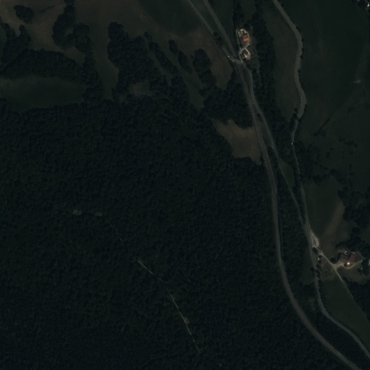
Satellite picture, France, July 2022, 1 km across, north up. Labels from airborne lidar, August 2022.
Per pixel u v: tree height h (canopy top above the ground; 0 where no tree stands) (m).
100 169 18
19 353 17
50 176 19
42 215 20
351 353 19
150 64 22
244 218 18
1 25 11
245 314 20
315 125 0
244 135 0
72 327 16
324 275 0
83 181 22
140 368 14
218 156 21
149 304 26
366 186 0
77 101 0
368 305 18
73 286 23
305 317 0
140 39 21
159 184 23
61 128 23
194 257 23
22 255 22
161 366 21
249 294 23
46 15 0
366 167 0
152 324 19
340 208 0
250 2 0
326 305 17
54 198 21
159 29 0
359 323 0
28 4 0
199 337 23
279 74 0
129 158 23
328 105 0
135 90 0
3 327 18
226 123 14
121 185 28
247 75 0
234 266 20
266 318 21
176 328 21
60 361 20
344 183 6
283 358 18
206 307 17
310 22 0
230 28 0
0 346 15
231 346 20
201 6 0
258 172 20
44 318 15
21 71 22
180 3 0
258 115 12
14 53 18
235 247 16
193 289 13
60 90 0
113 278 23
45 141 22
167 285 24
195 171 19
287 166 0
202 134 21
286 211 25
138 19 0
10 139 23
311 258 0
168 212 21
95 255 22
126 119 25
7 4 0
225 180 15
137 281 22
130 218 21
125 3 0
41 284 7
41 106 0
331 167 0
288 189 23
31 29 0
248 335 23
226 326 10
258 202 15
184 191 21
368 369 17
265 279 22
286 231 22
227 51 0
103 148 26
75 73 26
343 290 0
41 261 19
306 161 13
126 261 19
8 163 21
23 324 21
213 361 22
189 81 0
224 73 0
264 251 22
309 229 0
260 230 19
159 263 25
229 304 16
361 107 0
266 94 11
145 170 24
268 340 23
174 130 25
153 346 20
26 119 7
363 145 0
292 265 27
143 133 7
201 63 18
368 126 0
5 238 24
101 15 0
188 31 0
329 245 0
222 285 16
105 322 16
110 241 20
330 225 0
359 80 0
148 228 25
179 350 22
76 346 17
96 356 19
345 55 0
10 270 21
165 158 24
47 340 16
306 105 10
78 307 21
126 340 18
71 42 21
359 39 0
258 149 0
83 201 23
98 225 23
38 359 18
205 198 18
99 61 0
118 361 20
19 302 7
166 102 19
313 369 29
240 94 14
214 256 18
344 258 0
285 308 18
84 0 0
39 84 0
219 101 18
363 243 10
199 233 21
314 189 0
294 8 0
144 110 22
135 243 20
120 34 22
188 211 26
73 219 17
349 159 0
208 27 0
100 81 25
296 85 0
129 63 17
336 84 0
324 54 0
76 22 0
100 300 22
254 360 22
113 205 21
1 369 18
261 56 14
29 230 21
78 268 26
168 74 0
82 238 26
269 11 0
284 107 0
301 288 22
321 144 0
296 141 8
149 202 21
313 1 0
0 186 23
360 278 0
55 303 19
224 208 18
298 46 0
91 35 0
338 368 27
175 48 19
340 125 0
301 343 26
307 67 0
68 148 21
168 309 17
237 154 0
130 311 21
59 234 22
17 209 27
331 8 0
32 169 21
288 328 16
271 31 0
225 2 0
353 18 0
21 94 0
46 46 0
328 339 18
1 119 19
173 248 30
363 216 15
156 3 0
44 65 26
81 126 22
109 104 25
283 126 22
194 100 0
